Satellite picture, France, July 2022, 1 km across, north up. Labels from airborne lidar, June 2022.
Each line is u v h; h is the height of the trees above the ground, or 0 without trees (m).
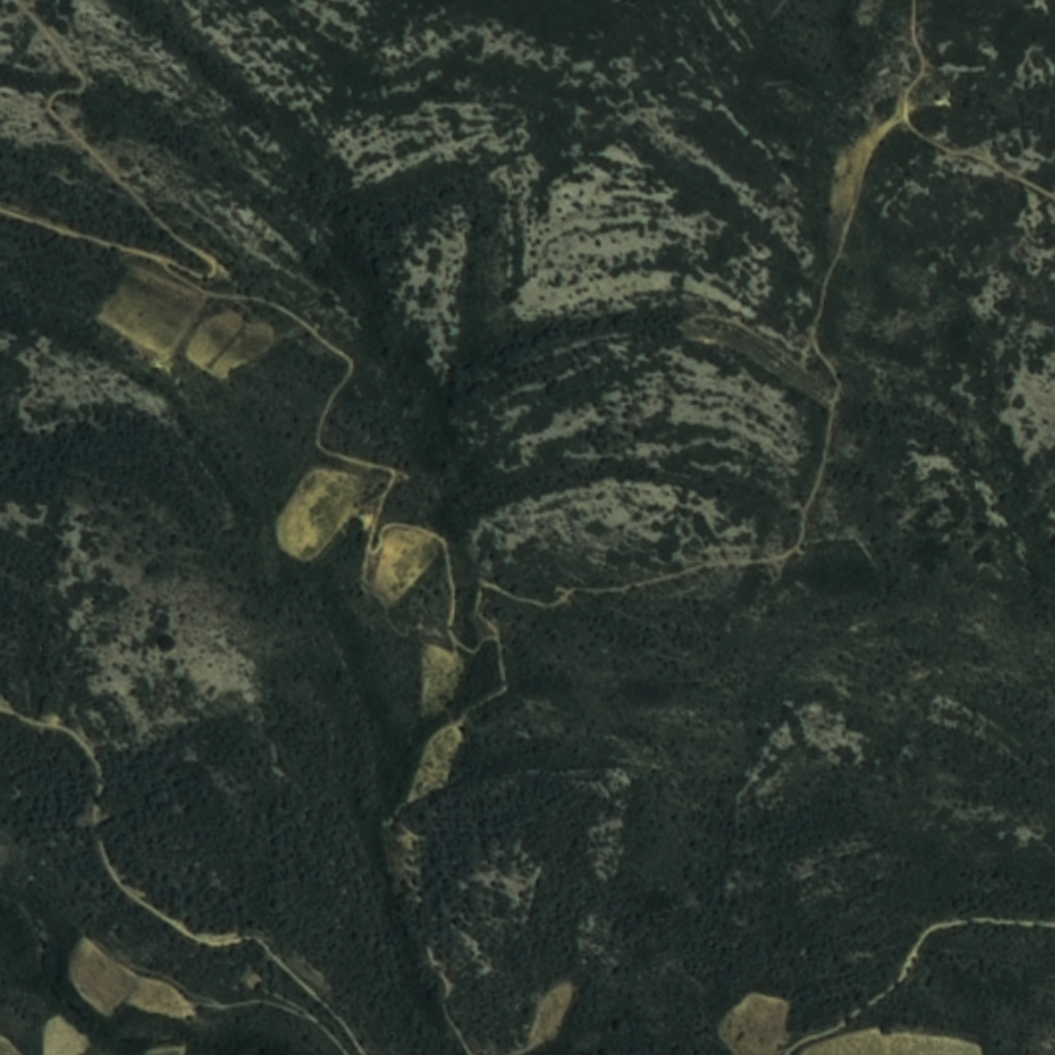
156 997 0
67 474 9
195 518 7
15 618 8
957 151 0
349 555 8
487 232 12
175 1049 0
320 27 0
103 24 0
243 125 0
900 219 0
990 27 0
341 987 9
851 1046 0
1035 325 0
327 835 11
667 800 6
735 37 0
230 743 6
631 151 0
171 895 10
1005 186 0
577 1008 9
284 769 9
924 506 6
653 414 0
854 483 6
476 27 0
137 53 0
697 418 0
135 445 10
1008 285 0
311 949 7
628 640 8
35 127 0
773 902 8
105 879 13
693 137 0
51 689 10
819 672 0
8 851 0
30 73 6
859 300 0
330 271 8
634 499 0
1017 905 8
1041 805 7
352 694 12
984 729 0
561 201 0
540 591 9
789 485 0
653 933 12
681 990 8
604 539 0
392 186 0
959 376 0
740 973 14
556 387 13
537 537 0
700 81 0
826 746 0
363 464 0
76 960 0
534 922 11
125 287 0
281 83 0
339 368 10
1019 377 0
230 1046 11
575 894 12
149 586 0
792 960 12
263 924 7
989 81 0
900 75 0
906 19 0
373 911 10
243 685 0
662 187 0
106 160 0
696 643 10
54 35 0
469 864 13
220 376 0
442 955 12
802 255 0
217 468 8
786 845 8
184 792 10
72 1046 0
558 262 0
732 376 0
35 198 5
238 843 10
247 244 0
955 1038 0
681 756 8
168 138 13
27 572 11
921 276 0
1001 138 0
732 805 8
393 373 7
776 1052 0
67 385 0
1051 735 7
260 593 9
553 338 14
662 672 8
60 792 15
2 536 12
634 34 0
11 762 11
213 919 9
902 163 0
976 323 7
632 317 11
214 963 7
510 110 0
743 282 0
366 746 11
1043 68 0
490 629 0
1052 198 0
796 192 0
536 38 0
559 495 0
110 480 8
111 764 12
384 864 8
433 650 0
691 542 0
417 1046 8
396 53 0
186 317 0
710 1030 11
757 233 0
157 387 12
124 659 0
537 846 6
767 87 0
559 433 0
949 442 0
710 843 7
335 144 0
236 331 0
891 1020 13
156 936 6
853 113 0
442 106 0
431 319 0
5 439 13
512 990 7
